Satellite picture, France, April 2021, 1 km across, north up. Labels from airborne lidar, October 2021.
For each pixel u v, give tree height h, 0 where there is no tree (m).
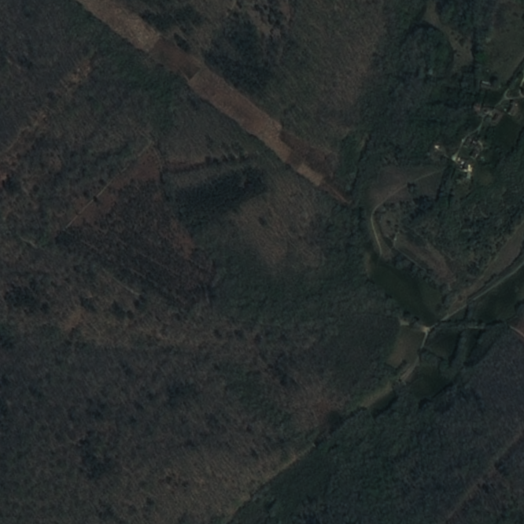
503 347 16
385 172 0
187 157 20
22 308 25
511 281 0
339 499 18
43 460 16
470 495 15
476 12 21
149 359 23
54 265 15
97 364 18
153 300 15
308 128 24
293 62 22
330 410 7
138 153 22
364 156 15
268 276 16
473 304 14
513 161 21
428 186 0
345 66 22
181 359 17
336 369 13
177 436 19
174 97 25
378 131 22
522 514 14
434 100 14
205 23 22
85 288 13
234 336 13
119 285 15
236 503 26
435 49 21
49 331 17
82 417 17
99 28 28
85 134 14
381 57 26
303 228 19
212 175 21
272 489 13
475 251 7
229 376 23
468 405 21
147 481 15
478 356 8
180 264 7
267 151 24
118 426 18
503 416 17
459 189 0
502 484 8
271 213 16
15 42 17
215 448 19
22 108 17
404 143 20
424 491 10
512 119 0
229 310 18
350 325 15
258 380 15
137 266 10
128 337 22
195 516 20
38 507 19
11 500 18
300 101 24
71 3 23
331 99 25
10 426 18
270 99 20
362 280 18
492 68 0
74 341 26
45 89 16
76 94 20
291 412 18
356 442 20
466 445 18
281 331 18
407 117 25
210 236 19
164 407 16
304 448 16
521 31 0
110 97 20
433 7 0
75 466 13
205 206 25
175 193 21
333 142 25
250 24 17
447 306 18
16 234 17
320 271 18
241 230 14
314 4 22
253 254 13
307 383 20
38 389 21
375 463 20
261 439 15
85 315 9
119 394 17
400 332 13
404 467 10
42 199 19
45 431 18
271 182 25
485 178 0
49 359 20
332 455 17
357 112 14
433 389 0
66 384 19
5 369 15
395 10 24
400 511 17
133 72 24
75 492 12
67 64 17
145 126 25
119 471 18
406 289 0
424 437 16
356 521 22
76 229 8
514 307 0
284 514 12
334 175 12
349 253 20
